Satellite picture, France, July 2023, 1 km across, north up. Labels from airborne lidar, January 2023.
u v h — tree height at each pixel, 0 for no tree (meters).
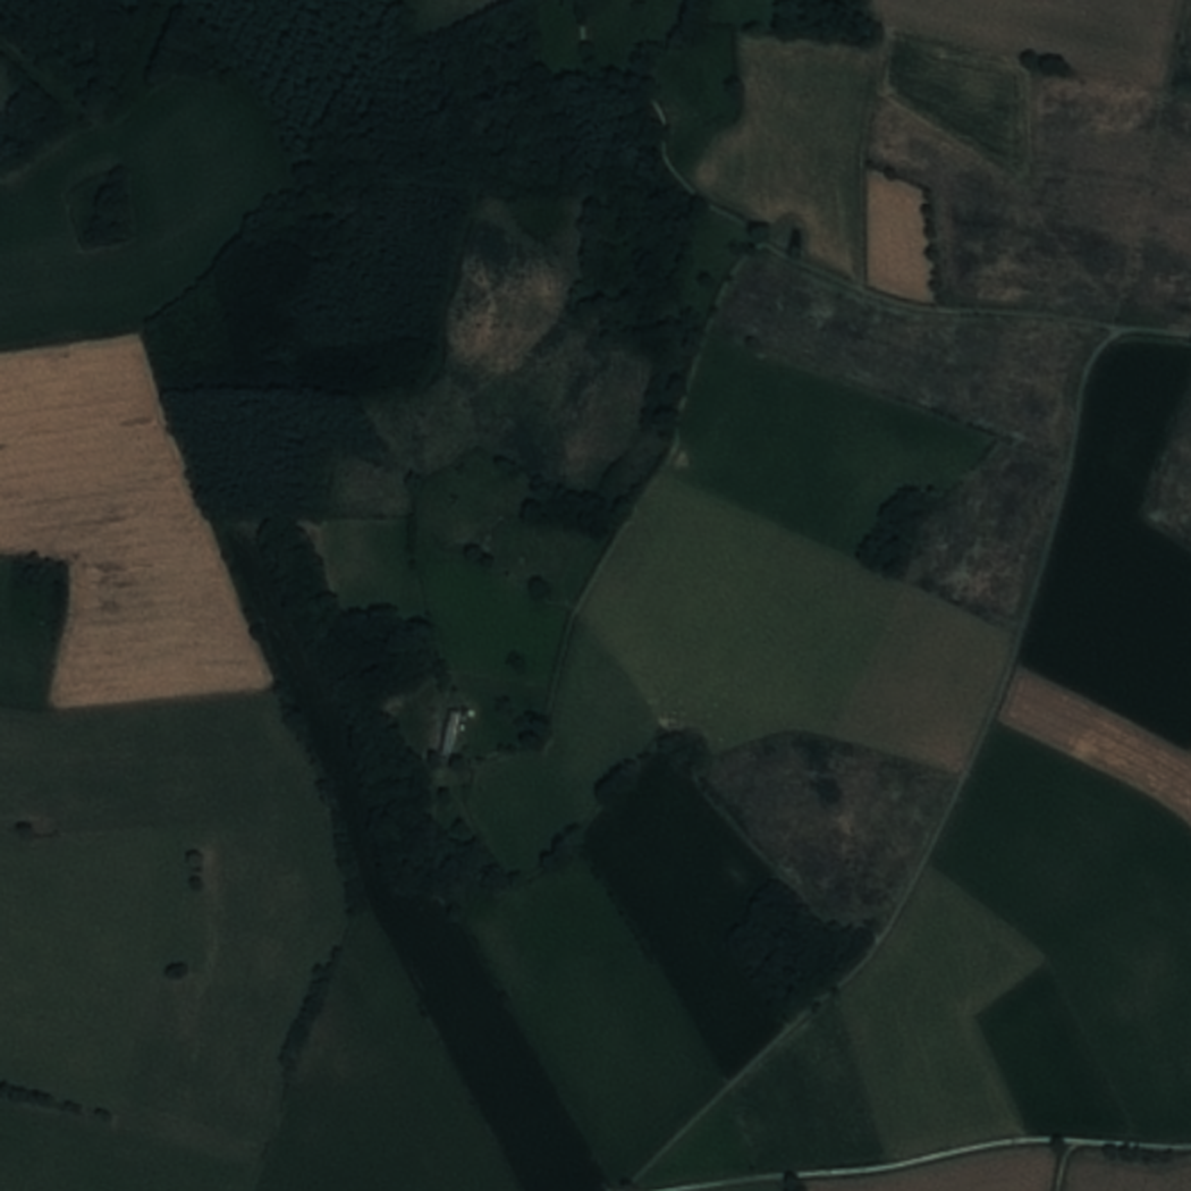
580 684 0
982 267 0
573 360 0
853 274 0
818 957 17
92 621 0
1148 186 0
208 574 0
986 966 0
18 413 0
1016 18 0
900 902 0
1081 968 0
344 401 29
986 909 0
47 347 0
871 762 0
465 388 0
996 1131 0
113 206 19
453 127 14
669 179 7
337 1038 0
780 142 0
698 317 14
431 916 0
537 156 24
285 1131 0
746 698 0
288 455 28
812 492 0
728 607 0
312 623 16
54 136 15
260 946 0
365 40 15
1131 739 0
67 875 0
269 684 0
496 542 0
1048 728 0
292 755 0
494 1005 0
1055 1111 0
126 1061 0
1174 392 0
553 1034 0
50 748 0
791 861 0
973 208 0
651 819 0
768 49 0
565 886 0
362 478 0
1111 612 0
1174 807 0
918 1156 0
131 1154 0
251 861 0
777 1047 0
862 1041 0
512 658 8
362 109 18
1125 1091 0
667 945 0
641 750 0
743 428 0
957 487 0
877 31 11
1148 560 0
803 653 0
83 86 17
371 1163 0
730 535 0
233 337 14
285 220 16
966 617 0
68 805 0
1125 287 0
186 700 0
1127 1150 13
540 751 13
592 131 23
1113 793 0
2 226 0
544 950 0
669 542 0
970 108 0
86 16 22
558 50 0
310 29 21
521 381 0
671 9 0
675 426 15
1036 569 0
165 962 0
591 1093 0
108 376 0
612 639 0
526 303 0
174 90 0
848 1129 0
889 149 0
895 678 0
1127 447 0
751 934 12
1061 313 0
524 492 0
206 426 26
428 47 17
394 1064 0
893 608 0
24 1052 0
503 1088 0
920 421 0
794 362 0
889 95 0
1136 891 0
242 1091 0
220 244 0
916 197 0
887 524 9
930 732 0
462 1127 0
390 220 16
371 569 0
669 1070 0
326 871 0
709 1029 0
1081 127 0
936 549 0
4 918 0
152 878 0
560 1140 0
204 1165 0
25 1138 0
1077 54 0
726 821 0
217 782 0
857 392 0
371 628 24
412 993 0
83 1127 0
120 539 0
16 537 0
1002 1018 0
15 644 0
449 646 0
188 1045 0
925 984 0
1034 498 0
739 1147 0
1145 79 0
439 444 0
